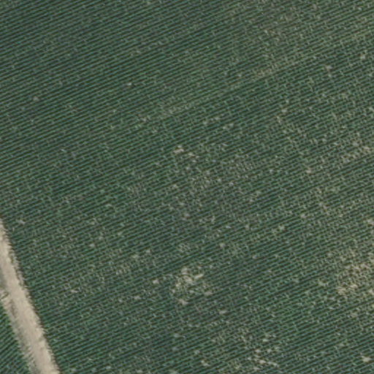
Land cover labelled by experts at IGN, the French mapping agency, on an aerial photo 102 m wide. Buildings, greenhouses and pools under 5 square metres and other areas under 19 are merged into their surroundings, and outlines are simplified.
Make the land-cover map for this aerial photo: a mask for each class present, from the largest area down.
<instances>
[{"label":"vineyard","instance_id":"1","mask_svg":"<svg viewBox=\"0 0 374 374\"><path fill-rule=\"evenodd\" d=\"M0 219L9 240L10 250L15 253L18 260L23 286L28 291L32 307L44 330L45 342L53 355L58 374H374V0H0ZM0 374H29L28 364L16 342L15 333L3 305L0 302Z\"/></svg>","mask_w":374,"mask_h":374},{"label":"pervious surface","instance_id":"2","mask_svg":"<svg viewBox=\"0 0 374 374\"><path fill-rule=\"evenodd\" d=\"M15 301L18 323L22 327L28 352L32 358L37 359L42 374H58L53 355L45 342L44 330L32 307L28 291L23 286L18 260L15 253L10 250L9 240L0 219V302L3 305Z\"/></svg>","mask_w":374,"mask_h":374},{"label":"herbaceous vegetation","instance_id":"3","mask_svg":"<svg viewBox=\"0 0 374 374\"><path fill-rule=\"evenodd\" d=\"M15 333L16 342L28 364L29 374H42L37 359L32 358L28 352L22 327L18 323L15 301L3 305Z\"/></svg>","mask_w":374,"mask_h":374}]
</instances>
